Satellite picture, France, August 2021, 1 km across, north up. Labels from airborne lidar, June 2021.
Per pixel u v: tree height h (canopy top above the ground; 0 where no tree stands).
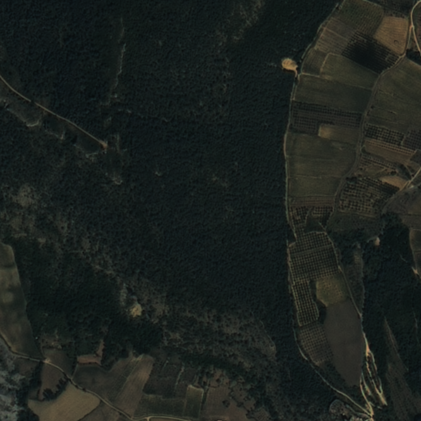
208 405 0
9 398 0
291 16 7
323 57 0
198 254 10
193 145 7
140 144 14
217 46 10
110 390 0
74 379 0
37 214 7
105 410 0
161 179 13
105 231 11
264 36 6
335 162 0
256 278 9
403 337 11
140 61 7
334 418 6
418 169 0
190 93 11
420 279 8
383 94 0
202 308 10
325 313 14
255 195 12
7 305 0
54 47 10
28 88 7
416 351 6
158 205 17
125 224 6
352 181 9
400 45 0
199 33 7
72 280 8
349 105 0
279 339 9
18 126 7
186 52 10
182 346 9
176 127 12
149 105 15
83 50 14
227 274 14
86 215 7
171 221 12
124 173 7
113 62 0
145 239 7
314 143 0
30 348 0
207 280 7
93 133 9
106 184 10
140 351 11
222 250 8
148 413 0
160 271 10
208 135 7
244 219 13
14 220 0
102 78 10
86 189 13
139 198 10
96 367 0
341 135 0
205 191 7
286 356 6
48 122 8
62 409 0
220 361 9
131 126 18
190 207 15
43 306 10
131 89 8
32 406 0
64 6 11
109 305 7
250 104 9
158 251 7
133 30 9
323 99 0
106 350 8
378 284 13
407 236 11
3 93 0
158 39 7
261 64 7
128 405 0
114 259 12
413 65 0
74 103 19
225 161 6
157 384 0
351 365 0
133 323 7
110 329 10
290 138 0
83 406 0
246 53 7
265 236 11
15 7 10
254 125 13
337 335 0
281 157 11
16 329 0
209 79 9
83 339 7
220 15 8
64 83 23
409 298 12
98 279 7
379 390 8
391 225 6
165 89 13
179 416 0
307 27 12
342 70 0
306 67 0
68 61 13
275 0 7
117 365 0
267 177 9
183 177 17
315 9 6
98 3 6
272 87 10
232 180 8
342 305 0
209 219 9
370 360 8
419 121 0
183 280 8
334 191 0
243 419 0
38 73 11
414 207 0
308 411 8
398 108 0
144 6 5
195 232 12
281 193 10
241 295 13
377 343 10
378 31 0
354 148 0
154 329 11
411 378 12
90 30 13
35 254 10
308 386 10
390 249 8
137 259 10
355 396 10
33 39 14
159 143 18
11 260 0
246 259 7
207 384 6
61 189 7
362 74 0
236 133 11
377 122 0
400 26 0
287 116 12
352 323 0
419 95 0
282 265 13
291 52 9
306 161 0
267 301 8
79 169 11
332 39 0
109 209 9
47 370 0
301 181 0
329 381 6
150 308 7
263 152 11
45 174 7
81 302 12
